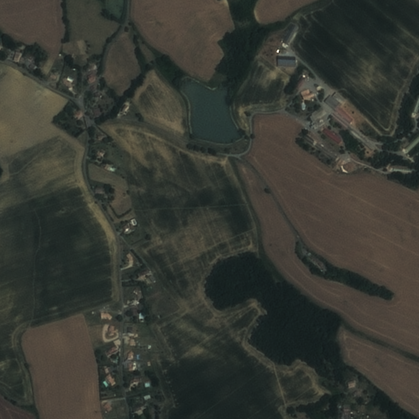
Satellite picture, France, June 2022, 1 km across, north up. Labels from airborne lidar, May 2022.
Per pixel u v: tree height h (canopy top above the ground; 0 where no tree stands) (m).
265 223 0
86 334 0
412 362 0
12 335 0
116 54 0
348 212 0
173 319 0
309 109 9
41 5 0
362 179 0
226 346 0
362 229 0
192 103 0
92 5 0
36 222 0
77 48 0
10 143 0
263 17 0
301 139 15
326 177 0
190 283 0
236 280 19
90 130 15
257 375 0
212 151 19
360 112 0
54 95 0
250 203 0
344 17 0
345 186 0
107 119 12
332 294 0
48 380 0
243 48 12
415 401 0
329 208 0
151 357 0
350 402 6
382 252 0
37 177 0
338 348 16
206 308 0
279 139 0
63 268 0
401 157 15
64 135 0
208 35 0
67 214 0
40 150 0
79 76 11
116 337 0
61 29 0
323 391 0
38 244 0
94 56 5
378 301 0
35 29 0
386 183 0
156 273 0
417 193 0
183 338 0
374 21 0
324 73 0
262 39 14
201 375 0
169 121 0
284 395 0
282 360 13
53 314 0
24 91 0
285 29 0
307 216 0
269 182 0
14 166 0
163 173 0
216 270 16
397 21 0
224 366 0
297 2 0
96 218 0
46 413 0
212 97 0
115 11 0
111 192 11
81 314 0
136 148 0
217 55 0
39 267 0
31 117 0
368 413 0
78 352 0
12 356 0
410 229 0
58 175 0
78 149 0
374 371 0
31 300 0
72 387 0
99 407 0
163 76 0
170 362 0
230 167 0
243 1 9
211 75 0
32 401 0
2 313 0
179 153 0
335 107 0
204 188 0
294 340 17
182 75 7
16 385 0
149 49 0
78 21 0
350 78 0
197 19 0
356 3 0
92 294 0
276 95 0
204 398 0
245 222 0
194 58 0
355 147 11
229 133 0
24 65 7
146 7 0
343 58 0
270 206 0
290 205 0
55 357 0
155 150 0
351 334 0
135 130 0
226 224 0
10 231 0
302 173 0
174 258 0
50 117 0
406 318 0
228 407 0
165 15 0
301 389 0
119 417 0
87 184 0
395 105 0
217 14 0
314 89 0
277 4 0
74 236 0
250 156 0
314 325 19
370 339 0
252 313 0
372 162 12
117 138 0
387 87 0
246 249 0
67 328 0
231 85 12
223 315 0
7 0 0
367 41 0
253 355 0
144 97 0
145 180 0
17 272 0
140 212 0
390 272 0
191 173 0
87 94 6
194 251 0
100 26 0
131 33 0
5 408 0
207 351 0
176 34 0
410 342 0
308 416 9
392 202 0
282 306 13
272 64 0
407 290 0
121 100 14
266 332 15
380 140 13
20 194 0
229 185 0
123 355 0
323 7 0
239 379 0
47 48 0
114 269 0
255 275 18
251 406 0
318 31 0
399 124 13
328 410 8
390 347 0
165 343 0
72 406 0
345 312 0
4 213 0
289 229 0
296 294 17
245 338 0
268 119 0
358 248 0
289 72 0
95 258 0
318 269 8
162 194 0
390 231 0
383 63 0
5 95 0
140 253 0
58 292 0
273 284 18
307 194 0
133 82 15
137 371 12
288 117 0
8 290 0
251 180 0
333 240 0
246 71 17
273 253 0
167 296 0
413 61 0
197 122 0
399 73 0
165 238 0
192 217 0
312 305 18
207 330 0
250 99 0
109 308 0
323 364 16
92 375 0
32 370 0
